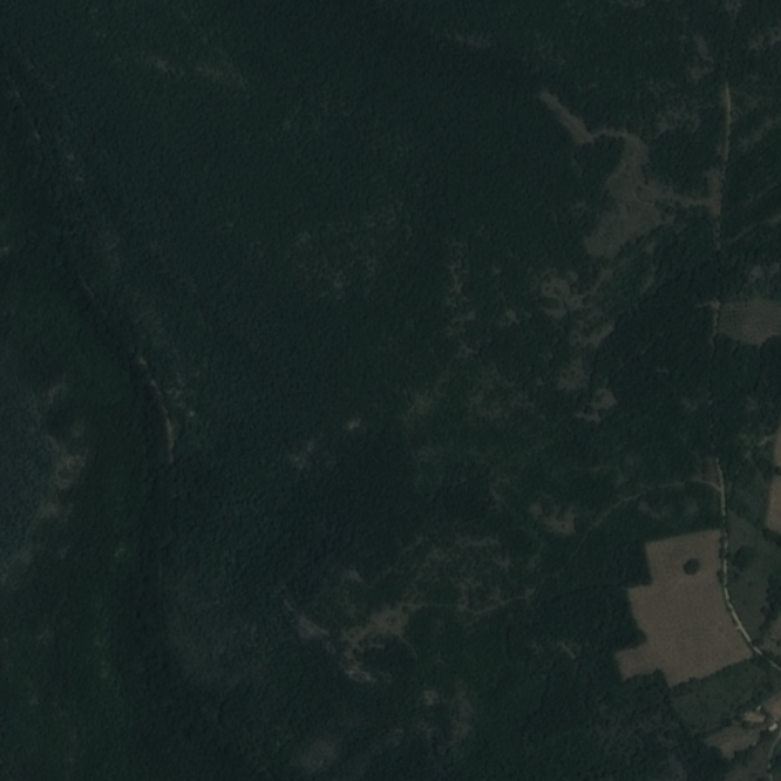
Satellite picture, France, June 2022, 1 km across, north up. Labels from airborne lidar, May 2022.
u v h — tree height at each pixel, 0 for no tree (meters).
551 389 9
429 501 7
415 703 7
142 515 19
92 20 8
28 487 9
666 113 6
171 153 8
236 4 13
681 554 0
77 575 17
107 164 9
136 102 8
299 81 7
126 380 8
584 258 7
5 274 11
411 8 8
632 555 11
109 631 9
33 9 9
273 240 8
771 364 11
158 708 18
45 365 6
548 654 6
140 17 9
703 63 6
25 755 8
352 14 16
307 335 7
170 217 9
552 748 8
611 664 11
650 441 6
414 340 8
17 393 10
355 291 6
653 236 8
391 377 8
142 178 10
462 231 9
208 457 8
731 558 11
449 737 7
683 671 0
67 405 8
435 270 8
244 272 7
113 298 8
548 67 7
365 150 10
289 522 13
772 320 0
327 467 13
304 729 8
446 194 10
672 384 12
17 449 15
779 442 0
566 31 7
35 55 8
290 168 9
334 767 6
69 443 6
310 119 9
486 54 12
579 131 0
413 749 12
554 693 11
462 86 11
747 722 9
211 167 6
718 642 0
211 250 9
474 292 6
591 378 8
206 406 7
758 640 7
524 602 8
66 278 11
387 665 8
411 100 9
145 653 19
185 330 7
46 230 19
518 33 7
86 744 10
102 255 5
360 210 7
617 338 13
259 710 6
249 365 10
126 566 14
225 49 6
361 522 8
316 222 6
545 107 12
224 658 7
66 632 19
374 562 9
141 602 20
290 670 9
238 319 7
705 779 10
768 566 0
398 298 7
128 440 13
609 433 9
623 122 6
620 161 12
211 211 7
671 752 9
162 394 6
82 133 8
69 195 9
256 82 8
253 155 8
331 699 9
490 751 7
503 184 9
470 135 9
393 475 10
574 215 7
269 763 11
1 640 6
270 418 9
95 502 12
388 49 16
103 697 11
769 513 0
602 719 11
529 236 6
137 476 14
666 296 15
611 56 7
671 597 0
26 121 23
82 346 9
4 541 11
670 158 7
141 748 18
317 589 6
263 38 7
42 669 10
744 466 9
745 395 8
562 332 8
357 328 9
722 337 11
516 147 9
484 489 6
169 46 8
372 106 7
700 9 7
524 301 6
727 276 11
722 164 7
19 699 10
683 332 9
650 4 7
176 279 7
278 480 12
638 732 11
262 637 7
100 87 9
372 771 9
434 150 8
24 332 9
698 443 6
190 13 7
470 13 8
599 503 6
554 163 8
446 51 15
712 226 9
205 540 7
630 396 10
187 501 11
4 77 15
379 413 7
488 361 9
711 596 0
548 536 6
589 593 10
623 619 7
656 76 7
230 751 14
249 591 10
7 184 10
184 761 19
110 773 15
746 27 7
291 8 13
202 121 8
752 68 8
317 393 8
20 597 11
